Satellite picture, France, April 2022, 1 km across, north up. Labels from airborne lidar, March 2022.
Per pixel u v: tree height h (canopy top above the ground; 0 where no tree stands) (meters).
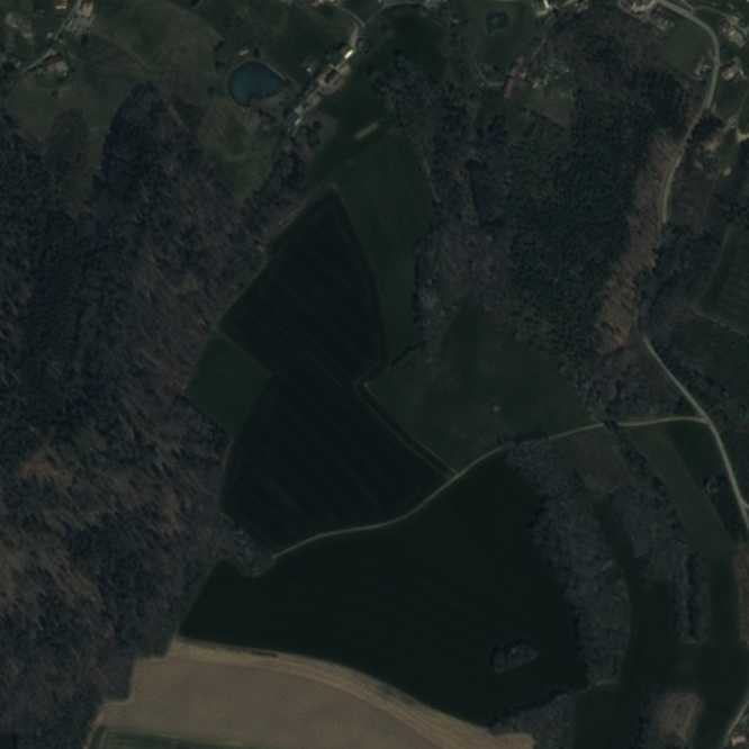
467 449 0
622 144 10
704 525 0
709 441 0
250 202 9
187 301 13
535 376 0
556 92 0
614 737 0
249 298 0
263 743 0
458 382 0
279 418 0
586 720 0
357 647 0
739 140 0
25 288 21
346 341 0
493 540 0
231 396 0
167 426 20
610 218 10
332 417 0
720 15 0
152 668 0
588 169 11
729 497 20
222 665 0
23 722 21
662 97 7
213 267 25
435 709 0
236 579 0
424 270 19
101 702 19
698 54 0
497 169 27
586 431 0
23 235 22
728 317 0
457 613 0
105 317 19
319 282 0
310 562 0
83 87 0
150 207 25
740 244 0
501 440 0
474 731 0
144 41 0
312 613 0
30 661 29
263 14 0
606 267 11
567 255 10
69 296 28
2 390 26
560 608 0
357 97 0
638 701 0
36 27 0
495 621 0
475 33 0
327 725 0
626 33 9
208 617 0
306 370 0
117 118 0
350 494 0
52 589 21
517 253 12
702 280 24
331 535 0
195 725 0
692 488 0
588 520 22
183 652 0
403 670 0
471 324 0
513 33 0
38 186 30
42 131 0
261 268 19
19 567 0
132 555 24
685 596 19
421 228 0
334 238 0
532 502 0
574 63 15
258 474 0
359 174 0
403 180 0
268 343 0
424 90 20
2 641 25
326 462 0
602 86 19
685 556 23
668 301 30
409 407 0
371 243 0
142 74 0
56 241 26
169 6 0
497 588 0
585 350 8
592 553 27
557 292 12
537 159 13
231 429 0
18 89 0
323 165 0
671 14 0
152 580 27
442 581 0
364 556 0
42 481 0
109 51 0
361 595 0
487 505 0
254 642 0
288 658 0
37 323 25
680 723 0
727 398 18
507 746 0
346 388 0
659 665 0
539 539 14
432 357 23
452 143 16
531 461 23
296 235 0
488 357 0
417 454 0
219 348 0
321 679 0
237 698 0
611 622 26
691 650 0
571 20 7
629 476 0
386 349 0
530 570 0
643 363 0
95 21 0
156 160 27
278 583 0
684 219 0
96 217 28
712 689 0
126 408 25
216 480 27
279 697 0
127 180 25
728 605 0
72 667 27
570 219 10
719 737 0
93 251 25
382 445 0
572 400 0
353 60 0
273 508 0
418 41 0
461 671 0
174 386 22
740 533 20
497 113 0
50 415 17
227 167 0
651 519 24
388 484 0
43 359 28
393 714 0
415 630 0
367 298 0
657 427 0
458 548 0
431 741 0
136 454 27
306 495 0
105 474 7
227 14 0
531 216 9
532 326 17
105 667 24
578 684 0
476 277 19
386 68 0
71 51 0
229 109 0
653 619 0
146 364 22
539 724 24
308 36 0
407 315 0
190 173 30
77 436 33
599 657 17
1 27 0
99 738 0
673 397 0
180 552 29
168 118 27
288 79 0
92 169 0
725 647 0
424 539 0
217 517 18
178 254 24
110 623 19
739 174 0
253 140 0
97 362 25
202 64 0
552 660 0
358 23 0
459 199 24
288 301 0
